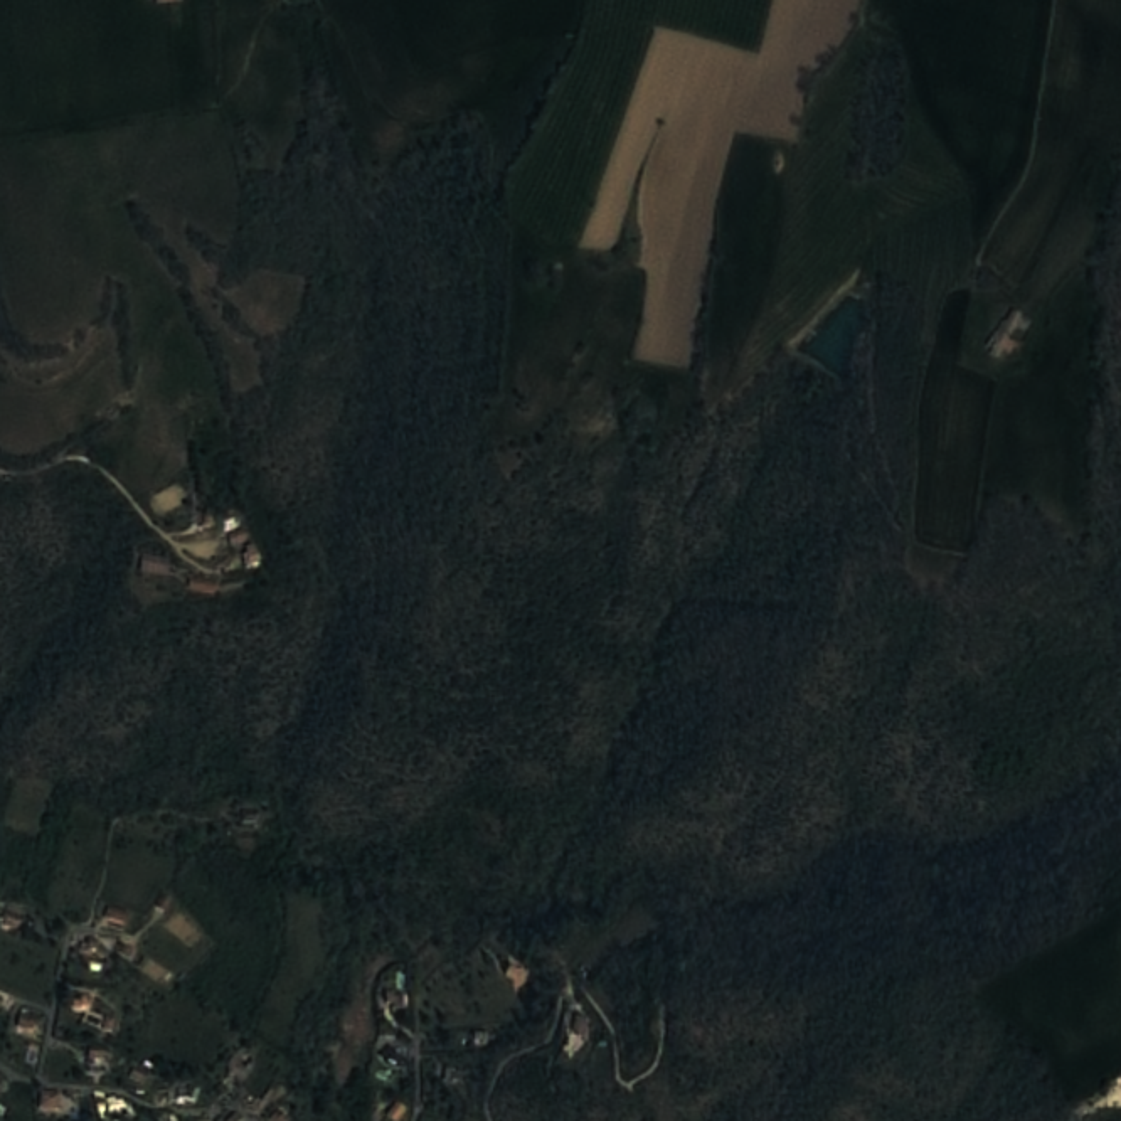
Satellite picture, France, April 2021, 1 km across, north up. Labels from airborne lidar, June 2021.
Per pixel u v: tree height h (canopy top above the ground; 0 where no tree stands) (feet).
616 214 0
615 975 44
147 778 30
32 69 0
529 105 0
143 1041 0
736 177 0
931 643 38
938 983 31
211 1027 0
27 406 0
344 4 0
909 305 29
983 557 50
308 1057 35
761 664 34
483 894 34
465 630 34
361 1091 52
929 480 0
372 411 82
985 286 45
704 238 0
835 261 0
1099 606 64
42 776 39
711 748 23
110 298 39
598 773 49
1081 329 0
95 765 45
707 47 0
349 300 54
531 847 21
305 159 39
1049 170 0
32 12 0
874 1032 28
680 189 0
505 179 28
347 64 0
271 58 0
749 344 0
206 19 0
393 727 24
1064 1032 0
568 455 18
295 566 33
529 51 0
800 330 0
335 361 45
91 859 0
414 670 30
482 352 18
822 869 32
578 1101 24
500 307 37
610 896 73
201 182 0
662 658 41
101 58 0
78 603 38
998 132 0
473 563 26
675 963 59
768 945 35
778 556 25
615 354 0
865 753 30
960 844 66
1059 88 0
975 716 24
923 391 0
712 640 49
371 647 32
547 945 39
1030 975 0
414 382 43
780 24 0
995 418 0
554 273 40
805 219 0
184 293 22
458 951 32
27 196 0
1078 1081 0
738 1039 24
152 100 0
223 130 0
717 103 0
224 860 37
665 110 0
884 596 29
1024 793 37
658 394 0
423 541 30
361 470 53
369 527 29
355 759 18
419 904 37
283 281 0
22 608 19
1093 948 0
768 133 0
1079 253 0
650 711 47
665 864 52
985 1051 24
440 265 28
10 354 31
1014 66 0
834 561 22
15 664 24
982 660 41
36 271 0
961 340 0
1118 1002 0
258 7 0
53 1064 0
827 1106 29
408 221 40
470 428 43
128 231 0
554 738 26
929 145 0
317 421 29
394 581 43
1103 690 25
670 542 24
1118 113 0
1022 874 38
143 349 0
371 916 91
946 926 36
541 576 19
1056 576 48
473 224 35
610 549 22
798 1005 24
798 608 52
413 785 23
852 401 73
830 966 24
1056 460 0
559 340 0
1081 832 41
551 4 0
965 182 0
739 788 19
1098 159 0
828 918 30
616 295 0
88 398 0
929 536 0
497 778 37
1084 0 0
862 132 58
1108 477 27
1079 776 75
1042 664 32
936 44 0
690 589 36
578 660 22
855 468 57
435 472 34
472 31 0
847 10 0
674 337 0
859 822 46
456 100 0
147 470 0
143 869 0
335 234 38
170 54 0
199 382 0
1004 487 0
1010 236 0
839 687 28
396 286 45
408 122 0
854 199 0
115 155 0
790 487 25
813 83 37
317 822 31
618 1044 31
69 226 0
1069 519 0
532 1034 49
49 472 29
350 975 51
